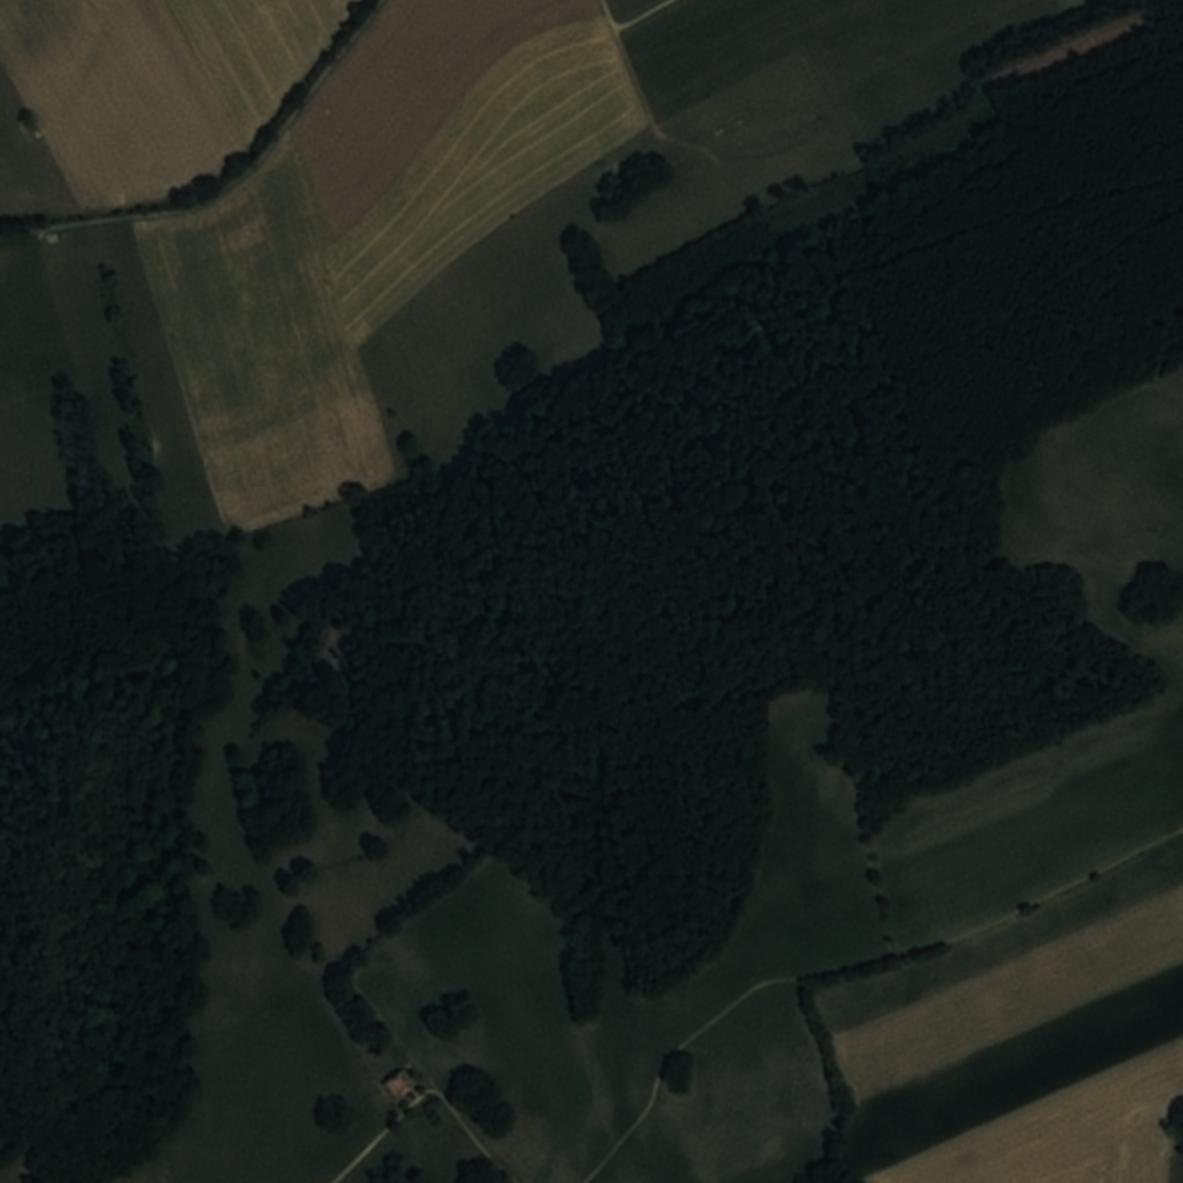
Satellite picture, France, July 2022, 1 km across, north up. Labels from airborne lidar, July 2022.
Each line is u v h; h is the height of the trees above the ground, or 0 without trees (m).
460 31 0
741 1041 0
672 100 0
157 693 33
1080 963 0
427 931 0
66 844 17
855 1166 0
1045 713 21
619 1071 0
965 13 0
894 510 26
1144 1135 0
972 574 21
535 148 0
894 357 19
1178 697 0
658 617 24
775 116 0
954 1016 0
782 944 0
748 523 32
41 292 0
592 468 28
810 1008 13
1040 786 0
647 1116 0
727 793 17
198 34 0
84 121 0
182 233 0
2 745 23
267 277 0
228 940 0
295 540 0
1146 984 0
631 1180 0
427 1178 9
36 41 0
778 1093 0
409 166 0
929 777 17
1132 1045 0
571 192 0
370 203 0
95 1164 32
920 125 21
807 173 0
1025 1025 0
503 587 26
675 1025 0
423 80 0
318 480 0
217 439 0
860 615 22
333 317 0
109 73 0
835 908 0
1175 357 9
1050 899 0
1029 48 22
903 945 0
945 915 0
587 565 21
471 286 0
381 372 0
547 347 0
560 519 26
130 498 15
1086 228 20
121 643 23
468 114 0
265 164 0
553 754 34
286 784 22
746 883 16
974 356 20
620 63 0
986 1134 0
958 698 19
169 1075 20
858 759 24
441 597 24
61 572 28
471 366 0
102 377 0
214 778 0
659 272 13
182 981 14
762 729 22
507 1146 0
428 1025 17
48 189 0
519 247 0
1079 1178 0
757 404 32
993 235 18
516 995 0
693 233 0
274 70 0
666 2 0
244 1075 0
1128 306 19
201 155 0
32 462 0
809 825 0
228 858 0
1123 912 0
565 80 0
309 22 0
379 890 0
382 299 0
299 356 0
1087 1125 0
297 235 0
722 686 21
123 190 0
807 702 0
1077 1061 0
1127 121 16
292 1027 0
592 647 22
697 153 0
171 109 0
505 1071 0
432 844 0
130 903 37
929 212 20
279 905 0
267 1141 0
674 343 25
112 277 12
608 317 15
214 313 0
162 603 23
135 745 27
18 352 0
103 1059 31
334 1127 23
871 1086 0
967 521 23
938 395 20
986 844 0
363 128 0
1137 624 17
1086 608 13
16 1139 19
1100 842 0
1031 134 21
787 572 23
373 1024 14
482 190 0
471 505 33
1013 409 19
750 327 29
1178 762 0
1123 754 0
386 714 21
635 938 25
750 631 20
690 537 29
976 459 12
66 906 20
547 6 0
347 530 0
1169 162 14
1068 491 0
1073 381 17
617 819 27
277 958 0
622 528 30
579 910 23
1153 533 0
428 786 25
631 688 22
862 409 34
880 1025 0
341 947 0
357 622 25
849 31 0
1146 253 21
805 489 31
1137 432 0
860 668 22
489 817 24
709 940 14
